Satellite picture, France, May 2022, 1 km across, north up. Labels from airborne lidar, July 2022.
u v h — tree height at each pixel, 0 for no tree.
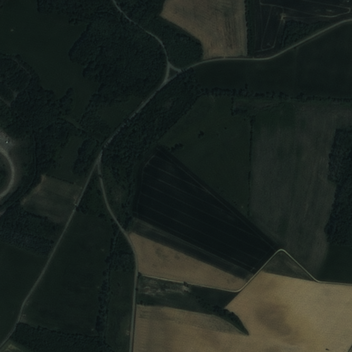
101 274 0
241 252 0
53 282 0
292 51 0
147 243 0
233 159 0
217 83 0
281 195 0
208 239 0
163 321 0
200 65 0
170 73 0
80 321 0
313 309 0
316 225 0
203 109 0
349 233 25
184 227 0
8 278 0
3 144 0
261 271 0
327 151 0
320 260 0
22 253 0
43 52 0
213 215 0
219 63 0
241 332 0
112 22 23
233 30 0
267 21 0
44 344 13
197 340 0
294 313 0
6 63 16
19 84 18
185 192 0
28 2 0
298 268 0
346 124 0
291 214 0
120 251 9
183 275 0
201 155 0
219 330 0
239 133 0
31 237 15
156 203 0
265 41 0
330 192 0
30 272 0
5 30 0
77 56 21
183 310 0
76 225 0
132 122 22
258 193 0
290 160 0
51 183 0
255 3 0
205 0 0
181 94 13
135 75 23
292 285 0
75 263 0
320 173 0
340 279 0
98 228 0
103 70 16
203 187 0
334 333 0
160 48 20
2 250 0
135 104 0
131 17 22
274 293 0
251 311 0
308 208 0
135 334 0
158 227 0
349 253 0
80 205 6
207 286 0
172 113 9
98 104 16
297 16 0
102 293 22
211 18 0
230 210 0
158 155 0
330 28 0
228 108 0
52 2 26
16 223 17
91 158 19
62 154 0
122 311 0
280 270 0
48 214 0
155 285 0
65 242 0
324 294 0
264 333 0
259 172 0
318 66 0
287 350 0
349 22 0
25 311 0
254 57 0
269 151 0
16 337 6
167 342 0
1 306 0
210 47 0
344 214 21
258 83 0
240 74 0
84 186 0
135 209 0
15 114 8
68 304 0
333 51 0
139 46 21
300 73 0
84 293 0
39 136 16
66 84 0
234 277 0
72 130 23
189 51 21
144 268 0
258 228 0
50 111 24
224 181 0
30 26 0
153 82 12
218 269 0
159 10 8
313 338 0
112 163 20
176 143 0
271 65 0
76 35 0
